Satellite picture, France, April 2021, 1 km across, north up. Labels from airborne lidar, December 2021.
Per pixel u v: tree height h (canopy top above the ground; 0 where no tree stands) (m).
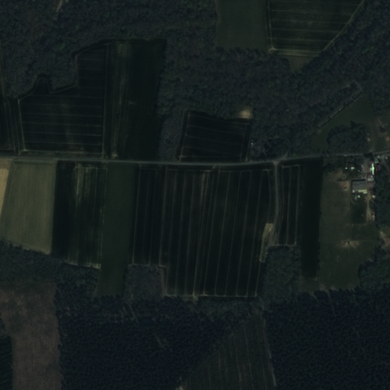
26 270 19
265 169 0
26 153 0
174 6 10
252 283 0
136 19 10
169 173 0
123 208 0
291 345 30
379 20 6
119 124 0
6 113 0
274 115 29
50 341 0
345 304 32
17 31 21
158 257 0
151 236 0
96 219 0
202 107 20
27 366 0
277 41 0
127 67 0
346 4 0
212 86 23
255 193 0
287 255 26
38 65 25
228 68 30
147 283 30
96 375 31
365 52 23
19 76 27
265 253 0
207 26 20
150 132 0
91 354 31
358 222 0
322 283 0
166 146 22
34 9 12
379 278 25
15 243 0
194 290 0
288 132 14
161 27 13
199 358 31
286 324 32
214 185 0
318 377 33
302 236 0
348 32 0
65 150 0
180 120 19
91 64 0
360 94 16
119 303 24
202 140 0
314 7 0
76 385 32
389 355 36
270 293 25
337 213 0
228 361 6
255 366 6
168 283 0
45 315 0
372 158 11
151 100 0
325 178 0
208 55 27
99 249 0
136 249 0
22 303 0
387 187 21
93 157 0
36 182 0
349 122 0
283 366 29
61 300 25
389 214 26
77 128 0
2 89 0
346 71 21
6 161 0
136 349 36
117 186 0
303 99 22
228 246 0
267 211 0
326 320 31
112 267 0
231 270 0
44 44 21
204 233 0
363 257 0
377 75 23
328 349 36
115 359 35
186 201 0
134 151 0
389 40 20
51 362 0
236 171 0
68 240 0
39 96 0
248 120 0
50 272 24
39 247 0
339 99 16
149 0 12
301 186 0
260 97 11
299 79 18
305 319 29
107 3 21
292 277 9
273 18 0
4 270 22
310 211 0
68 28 23
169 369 36
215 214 0
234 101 17
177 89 31
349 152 18
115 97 0
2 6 18
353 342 34
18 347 0
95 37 21
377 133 0
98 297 0
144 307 24
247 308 25
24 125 0
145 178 0
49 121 0
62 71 22
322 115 22
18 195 0
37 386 0
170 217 0
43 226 0
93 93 0
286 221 0
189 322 29
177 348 31
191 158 0
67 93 0
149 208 0
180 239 0
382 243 16
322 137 0
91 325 21
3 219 0
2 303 0
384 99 26
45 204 0
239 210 0
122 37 6
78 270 19
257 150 16
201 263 0
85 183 0
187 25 18
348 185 0
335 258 0
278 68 25
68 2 0
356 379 33
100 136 0
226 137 0
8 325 0
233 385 5
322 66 25
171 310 24
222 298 0
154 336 34
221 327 31
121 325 32
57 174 0
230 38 0
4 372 11
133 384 30
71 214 0
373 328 36
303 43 0
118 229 0
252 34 0
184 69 15
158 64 0
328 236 0
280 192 0
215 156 0
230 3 0
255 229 0
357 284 0
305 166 0
